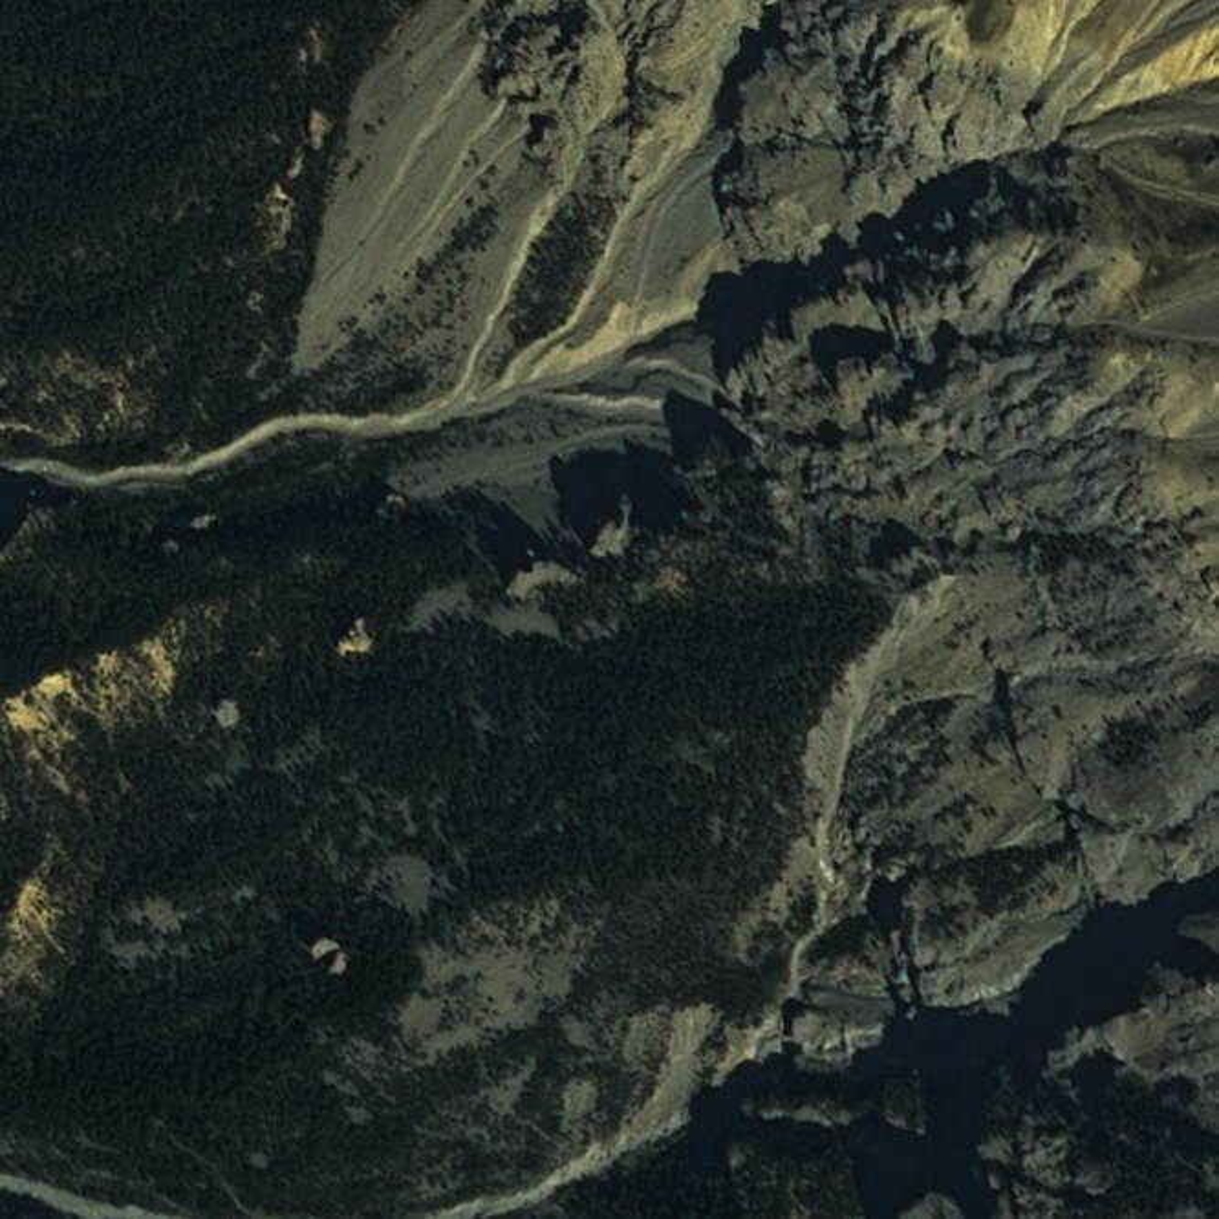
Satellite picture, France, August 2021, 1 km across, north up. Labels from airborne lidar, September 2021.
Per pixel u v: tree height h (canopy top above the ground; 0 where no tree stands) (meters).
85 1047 9
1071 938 0
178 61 14
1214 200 0
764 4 0
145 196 9
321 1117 6
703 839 10
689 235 0
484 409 0
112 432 9
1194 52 0
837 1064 0
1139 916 0
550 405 0
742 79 0
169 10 9
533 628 0
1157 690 0
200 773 7
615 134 0
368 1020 9
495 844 8
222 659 9
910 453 0
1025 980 0
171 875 10
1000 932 0
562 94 0
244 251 8
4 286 11
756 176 0
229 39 10
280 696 12
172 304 15
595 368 0
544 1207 0
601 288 0
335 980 8
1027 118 0
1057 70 0
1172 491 0
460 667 6
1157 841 7
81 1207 0
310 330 0
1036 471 0
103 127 12
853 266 0
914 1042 0
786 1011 0
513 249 0
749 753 8
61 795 11
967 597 0
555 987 0
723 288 0
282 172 12
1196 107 0
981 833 0
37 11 10
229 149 8
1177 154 0
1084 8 0
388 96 0
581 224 7
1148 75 0
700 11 0
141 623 14
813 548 0
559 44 0
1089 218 0
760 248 0
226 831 9
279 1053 11
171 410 9
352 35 17
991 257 0
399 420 0
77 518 6
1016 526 0
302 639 9
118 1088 13
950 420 0
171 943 11
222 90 18
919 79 0
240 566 8
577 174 0
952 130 0
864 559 0
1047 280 0
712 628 13
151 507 8
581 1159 0
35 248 9
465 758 11
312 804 10
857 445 0
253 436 0
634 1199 8
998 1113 7
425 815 9
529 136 0
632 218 0
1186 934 0
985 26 0
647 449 0
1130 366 0
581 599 9
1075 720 0
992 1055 0
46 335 11
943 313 0
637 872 7
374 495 6
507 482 0
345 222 0
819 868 0
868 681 0
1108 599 0
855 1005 0
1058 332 0
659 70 0
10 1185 0
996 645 0
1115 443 0
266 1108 6
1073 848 0
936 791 0
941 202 0
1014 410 0
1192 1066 0
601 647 12
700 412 0
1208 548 0
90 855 12
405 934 11
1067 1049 0
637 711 11
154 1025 7
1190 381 0
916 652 0
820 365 0
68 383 9
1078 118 0
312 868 8
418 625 0
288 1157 7
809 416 0
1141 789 0
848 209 0
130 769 15
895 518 0
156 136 20
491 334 0
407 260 0
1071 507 0
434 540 18
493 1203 0
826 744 0
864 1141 0
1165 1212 7
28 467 0
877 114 0
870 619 8
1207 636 0
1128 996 0
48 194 14
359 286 0
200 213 15
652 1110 0
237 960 12
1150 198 0
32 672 14
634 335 0
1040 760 0
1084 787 0
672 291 0
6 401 10
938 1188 0
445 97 0
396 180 0
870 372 0
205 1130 16
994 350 0
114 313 11
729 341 0
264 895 11
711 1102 0
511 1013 0
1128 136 0
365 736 7
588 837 12
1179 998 0
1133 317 0
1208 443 0
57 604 13
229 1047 13
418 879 0
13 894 7
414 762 12
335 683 12
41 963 6
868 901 0
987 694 0
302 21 12
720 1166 13
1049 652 0
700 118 0
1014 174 0
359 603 16
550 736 9
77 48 15
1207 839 0
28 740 7
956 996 0
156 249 17
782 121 0
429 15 0
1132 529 0
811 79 0
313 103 11
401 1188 6
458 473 0
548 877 9
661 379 0
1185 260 0
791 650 12
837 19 0
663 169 0
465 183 0
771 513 8
